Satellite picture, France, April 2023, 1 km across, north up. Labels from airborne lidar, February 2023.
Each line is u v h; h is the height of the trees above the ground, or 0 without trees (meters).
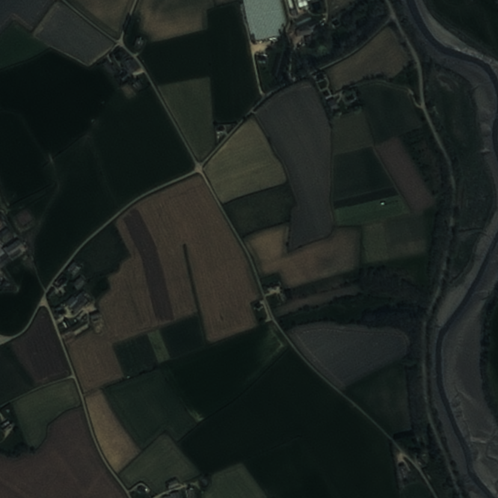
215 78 0
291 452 0
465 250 0
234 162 0
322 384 0
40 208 0
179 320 0
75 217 0
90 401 0
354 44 15
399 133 0
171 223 0
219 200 0
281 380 0
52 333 0
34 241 0
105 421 0
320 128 0
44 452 0
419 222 0
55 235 0
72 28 0
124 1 0
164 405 0
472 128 0
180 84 0
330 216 0
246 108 0
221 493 0
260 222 0
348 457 0
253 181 0
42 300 0
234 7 0
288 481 0
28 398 0
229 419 0
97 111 0
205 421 0
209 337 0
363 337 0
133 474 0
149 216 0
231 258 0
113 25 0
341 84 0
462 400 0
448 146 11
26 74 0
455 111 0
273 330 0
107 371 0
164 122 0
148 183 0
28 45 0
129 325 0
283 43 9
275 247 0
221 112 0
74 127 0
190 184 0
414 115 0
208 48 0
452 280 6
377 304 0
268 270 0
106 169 0
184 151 0
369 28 18
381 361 0
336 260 0
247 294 0
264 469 0
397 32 28
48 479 0
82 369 0
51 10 0
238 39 0
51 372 0
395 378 0
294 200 0
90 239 0
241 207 0
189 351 0
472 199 0
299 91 0
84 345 0
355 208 0
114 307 0
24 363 0
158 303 0
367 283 15
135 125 0
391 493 0
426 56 16
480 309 0
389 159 0
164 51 0
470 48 0
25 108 0
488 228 0
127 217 0
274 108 0
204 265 0
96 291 0
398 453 0
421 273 0
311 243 0
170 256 0
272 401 0
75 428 0
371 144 0
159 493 0
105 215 0
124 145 0
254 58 0
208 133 0
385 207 0
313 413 0
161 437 0
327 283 0
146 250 0
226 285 0
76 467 0
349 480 0
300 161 0
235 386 0
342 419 0
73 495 0
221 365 0
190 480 0
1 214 0
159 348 0
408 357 12
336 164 0
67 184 0
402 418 0
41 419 0
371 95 0
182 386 0
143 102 0
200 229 0
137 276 0
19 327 0
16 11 0
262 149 0
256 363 0
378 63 0
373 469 0
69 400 0
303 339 0
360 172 0
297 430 0
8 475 0
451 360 0
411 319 21
